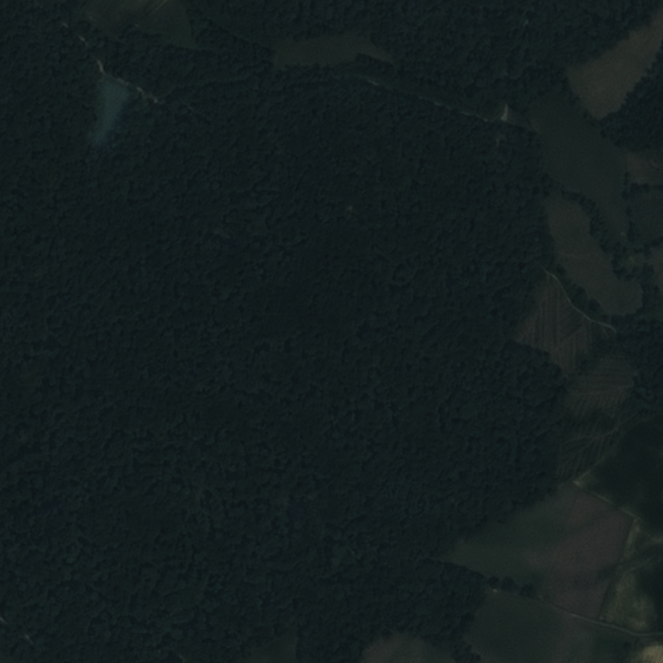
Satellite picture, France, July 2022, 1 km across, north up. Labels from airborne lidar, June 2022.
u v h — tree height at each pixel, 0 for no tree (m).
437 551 24
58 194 22
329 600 32
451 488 26
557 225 0
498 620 0
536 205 27
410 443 27
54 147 28
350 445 28
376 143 27
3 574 33
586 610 0
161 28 0
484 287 31
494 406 28
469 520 28
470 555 0
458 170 28
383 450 29
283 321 27
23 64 25
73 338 31
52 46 24
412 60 20
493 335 27
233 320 27
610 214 0
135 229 27
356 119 27
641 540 0
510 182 24
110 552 30
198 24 13
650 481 0
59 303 22
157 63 23
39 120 23
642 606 0
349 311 27
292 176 28
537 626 0
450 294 28
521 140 30
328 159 24
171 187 30
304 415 29
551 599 0
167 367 28
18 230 22
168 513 30
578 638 0
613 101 0
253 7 29
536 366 27
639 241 20
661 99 0
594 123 11
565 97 14
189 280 26
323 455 28
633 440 0
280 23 26
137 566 20
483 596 22
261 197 36
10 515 32
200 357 31
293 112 23
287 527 23
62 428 28
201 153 19
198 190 30
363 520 30
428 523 30
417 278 35
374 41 19
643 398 26
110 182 21
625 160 0
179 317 32
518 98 28
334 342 34
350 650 34
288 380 33
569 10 26
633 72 0
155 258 31
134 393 25
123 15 0
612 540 0
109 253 28
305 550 32
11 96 29
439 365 29
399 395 29
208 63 31
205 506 28
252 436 35
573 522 0
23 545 35
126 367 26
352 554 28
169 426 26
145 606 33
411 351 28
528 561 0
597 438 0
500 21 26
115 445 31
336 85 25
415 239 34
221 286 27
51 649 27
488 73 25
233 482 33
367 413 29
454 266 27
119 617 32
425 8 26
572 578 0
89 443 27
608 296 0
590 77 0
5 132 25
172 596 28
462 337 27
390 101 28
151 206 24
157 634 27
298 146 27
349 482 25
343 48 0
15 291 29
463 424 27
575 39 27
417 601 30
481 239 27
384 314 35
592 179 0
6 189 32
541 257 27
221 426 29
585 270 0
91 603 30
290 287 32
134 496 28
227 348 28
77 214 26
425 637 25
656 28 0
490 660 0
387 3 19
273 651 0
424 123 29
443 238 26
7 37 23
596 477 0
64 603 33
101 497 29
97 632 33
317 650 33
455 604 33
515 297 27
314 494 34
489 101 18
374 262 32
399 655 0
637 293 0
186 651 33
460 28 26
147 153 23
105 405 15
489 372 28
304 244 27
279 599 30
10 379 25
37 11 22
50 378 35
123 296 28
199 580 29
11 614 31
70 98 28
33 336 30
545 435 31
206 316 29
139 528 26
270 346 30
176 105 29
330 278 18
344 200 25
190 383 30
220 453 31
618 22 27
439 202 31
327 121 25
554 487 22
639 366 28
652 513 0
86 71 27
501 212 29
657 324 13
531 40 29
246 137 29
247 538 28
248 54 20
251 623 30
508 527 0
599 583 0
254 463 30
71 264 26
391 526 28
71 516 31
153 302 31
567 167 0
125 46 10
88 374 34
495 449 29
